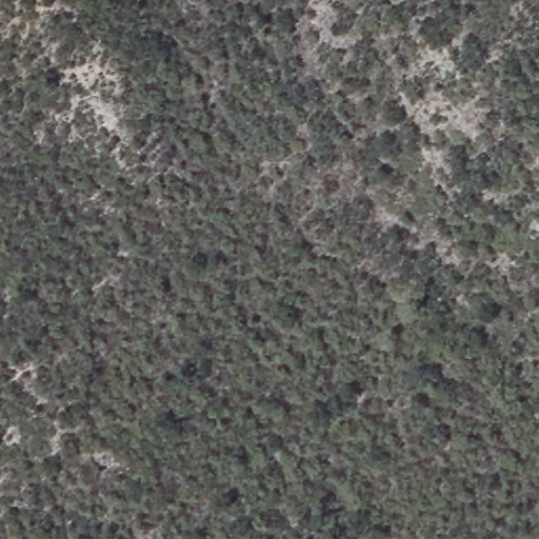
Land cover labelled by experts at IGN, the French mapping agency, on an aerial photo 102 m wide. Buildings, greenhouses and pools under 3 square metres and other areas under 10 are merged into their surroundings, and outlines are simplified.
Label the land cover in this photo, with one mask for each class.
<instances>
[{"label":"brushwood","instance_id":"1","mask_svg":"<svg viewBox=\"0 0 539 539\"><path fill-rule=\"evenodd\" d=\"M310 0H0V539H539V0H335L333 11L337 13V21L333 23L331 32L335 36H341L350 32L358 38V42L354 46L335 48L320 40V32L312 25L316 11L310 8ZM93 42L103 44L101 65H114L120 74L122 93L114 95L107 91L101 95V101L112 105H124V118L118 120V124L131 131L133 141L128 145H124L118 135L103 126V116H97L93 112V107L88 105V97L84 95V86L80 82L65 84L61 80L67 67H80L86 63ZM430 46H444L448 51L455 67L461 69V80H455L451 72L446 74V78H440V67L434 61H419V51ZM402 91L415 103L423 99L425 93L436 91H440L455 105H461L470 97L480 95L482 99L478 107H486L488 114L478 124V137L470 139L463 131L457 128L425 135L421 133L415 118H411L406 109L400 105L398 95ZM74 95L80 97L74 120L55 122L53 118H48V109L67 112Z\"/></svg>","mask_w":539,"mask_h":539},{"label":"bare soil","instance_id":"2","mask_svg":"<svg viewBox=\"0 0 539 539\"><path fill-rule=\"evenodd\" d=\"M335 0H310V8L316 11L312 25L320 32V40L335 48L354 46L358 42V38L350 32L341 36H335L331 32L333 23L337 21V13L333 11ZM103 44L93 42L86 63L80 67H67L61 80L65 84L80 82L84 86V95L88 97V105L93 107V112L97 116H103V126L118 135L124 145H128L133 141L131 131L118 124V120L124 118V105H112L101 101V95L107 91L114 95L122 93L120 74L114 65H101ZM419 61H434L440 67V78H446V74L451 72L455 80H461V69L455 67L448 51L444 46H430L419 51ZM400 105L406 109L411 118H415L421 133L425 135L457 128L463 131L470 139L478 137V124L488 114L486 107H478L482 99L480 95L470 97L461 105H455L440 91H436L425 93L423 99L415 103L402 91L398 95ZM80 97L74 95L67 112L48 109V118H53L55 122L74 120Z\"/></svg>","mask_w":539,"mask_h":539}]
</instances>
